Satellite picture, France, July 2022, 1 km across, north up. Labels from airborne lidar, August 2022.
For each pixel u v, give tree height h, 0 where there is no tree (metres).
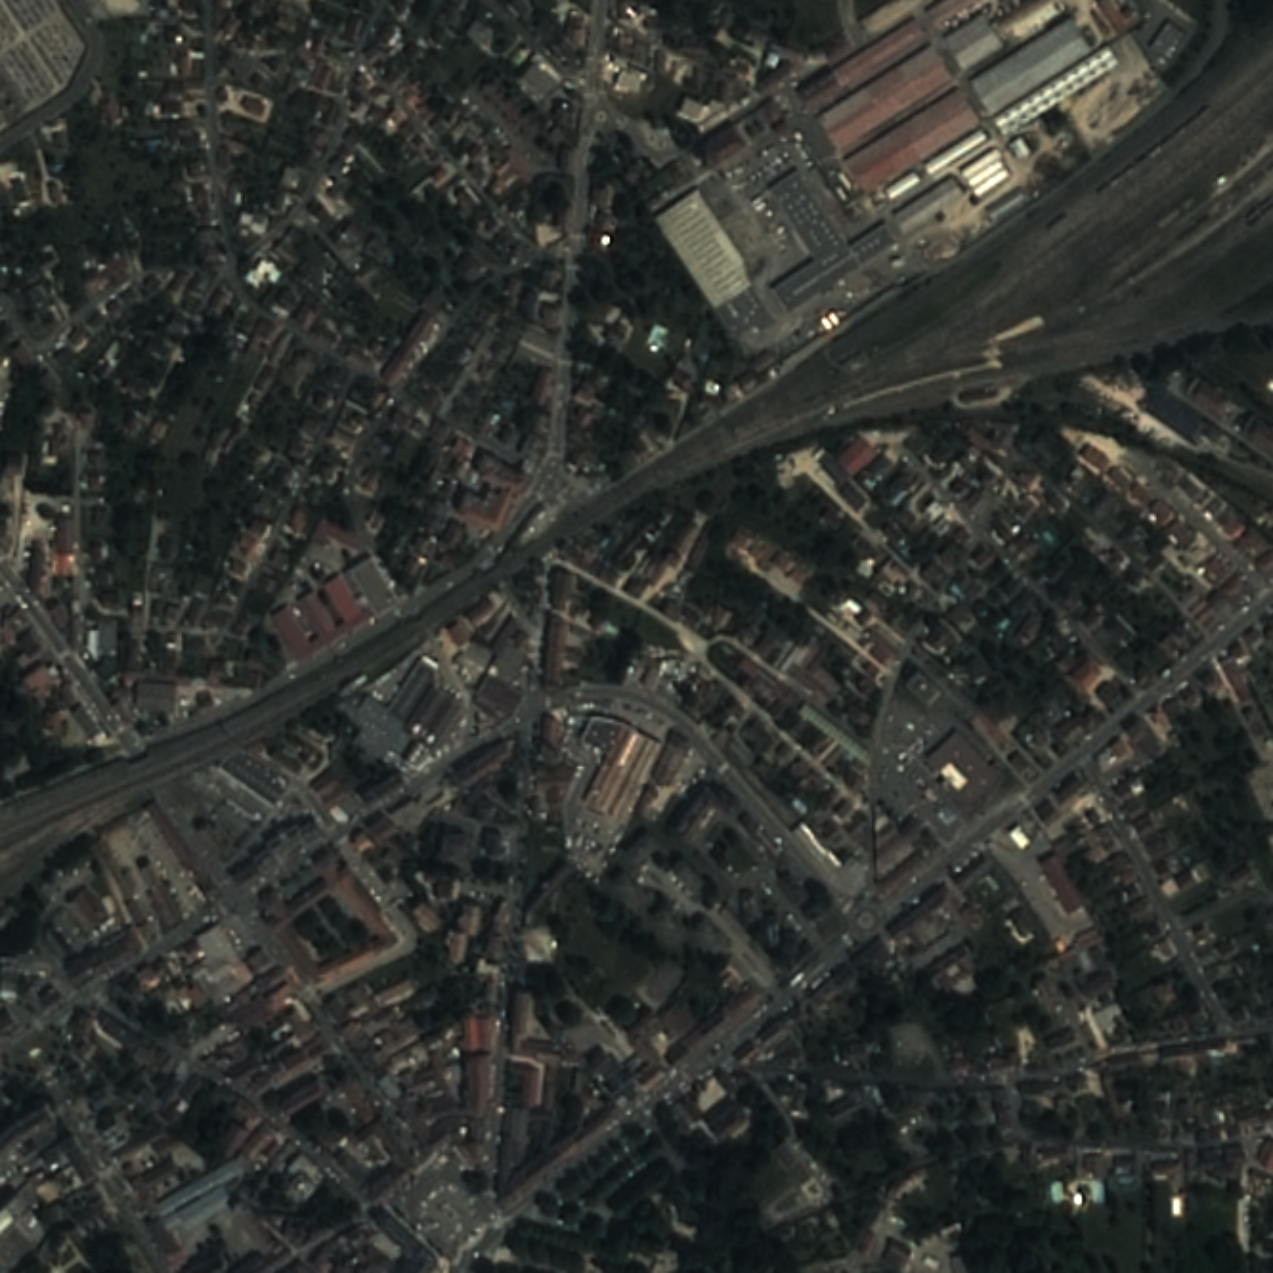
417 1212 0
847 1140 15
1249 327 11
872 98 0
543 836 0
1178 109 0
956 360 0
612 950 0
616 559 7
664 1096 0
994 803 0
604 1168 12
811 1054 8
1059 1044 0
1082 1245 7
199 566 6
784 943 18
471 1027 0
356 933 16
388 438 6
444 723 0
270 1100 14
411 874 10
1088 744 0
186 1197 0
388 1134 0
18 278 7
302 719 7
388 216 8
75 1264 0
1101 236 0
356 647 0
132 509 10
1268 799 0
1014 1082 0
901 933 0
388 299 0
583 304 17
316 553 0
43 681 0
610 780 0
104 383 8
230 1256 7
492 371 0
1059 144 0
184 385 11
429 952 6
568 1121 6
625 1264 17
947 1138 17
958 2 0
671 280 10
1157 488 0
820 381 0
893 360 0
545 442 0
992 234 0
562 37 6
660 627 0
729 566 6
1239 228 0
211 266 7
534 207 6
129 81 12
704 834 0
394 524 8
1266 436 0
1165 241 0
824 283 0
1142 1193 0
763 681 0
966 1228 7
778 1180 0
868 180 0
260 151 6
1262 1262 9
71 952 6
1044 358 0
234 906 0
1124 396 0
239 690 0
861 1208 9
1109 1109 10
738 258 0
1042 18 0
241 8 8
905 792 0
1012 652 8
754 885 0
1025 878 0
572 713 0
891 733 0
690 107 0
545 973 16
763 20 7
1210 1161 0
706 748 0
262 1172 6
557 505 0
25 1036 0
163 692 0
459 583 0
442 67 0
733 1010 0
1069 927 0
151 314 9
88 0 0
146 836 0
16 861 0
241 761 0
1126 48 0
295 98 6
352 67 0
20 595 0
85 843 12
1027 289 0
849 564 11
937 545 7
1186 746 8
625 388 7
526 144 0
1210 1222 0
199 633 0
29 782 10
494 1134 0
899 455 0
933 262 0
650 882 0
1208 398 0
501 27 6
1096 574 7
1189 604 0
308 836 0
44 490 10
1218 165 0
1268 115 0
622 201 12
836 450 9
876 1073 10
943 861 0
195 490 0
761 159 0
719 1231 31
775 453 6
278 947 0
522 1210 0
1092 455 8
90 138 6
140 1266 0
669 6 21
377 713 0
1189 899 0
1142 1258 0
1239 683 0
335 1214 14
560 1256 18
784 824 0
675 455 0
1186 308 0
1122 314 0
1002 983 19
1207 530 0
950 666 11
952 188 0
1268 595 0
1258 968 11
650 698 0
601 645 6
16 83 0
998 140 0
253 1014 0
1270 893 0
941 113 0
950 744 0
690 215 0
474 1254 0
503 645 0
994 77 0
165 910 0
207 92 0
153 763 0
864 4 0
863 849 0
